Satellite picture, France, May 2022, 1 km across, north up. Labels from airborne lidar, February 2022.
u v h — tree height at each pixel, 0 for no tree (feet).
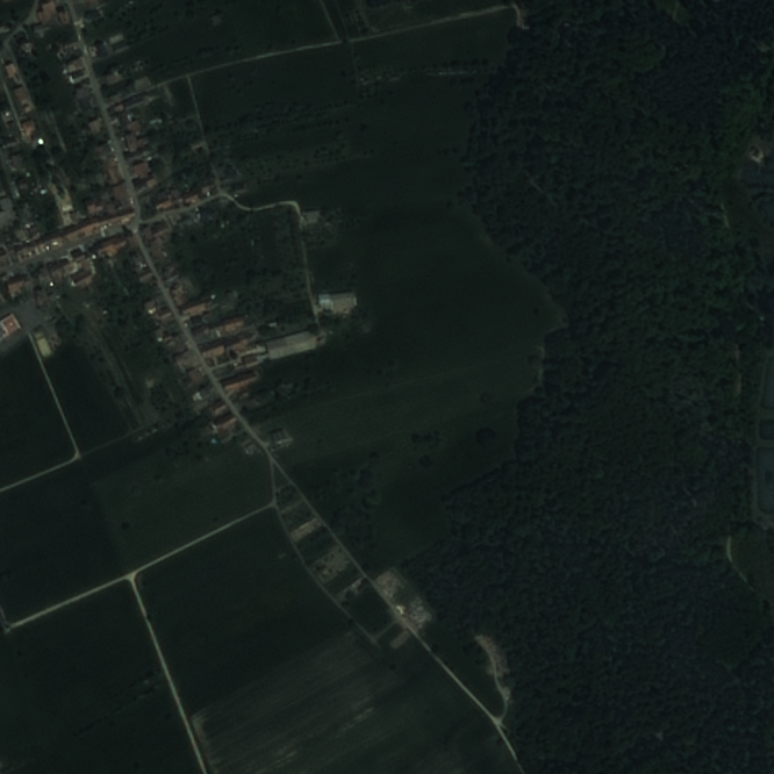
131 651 0
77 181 0
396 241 0
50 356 0
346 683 0
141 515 0
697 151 103
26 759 0
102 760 0
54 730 0
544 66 97
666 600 90
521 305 0
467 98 0
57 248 0
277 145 0
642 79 110
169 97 0
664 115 103
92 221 0
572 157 84
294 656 0
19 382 0
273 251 0
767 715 96
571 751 45
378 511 0
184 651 0
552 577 99
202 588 0
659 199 89
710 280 92
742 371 0
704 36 135
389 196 0
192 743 0
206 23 0
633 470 46
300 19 0
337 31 0
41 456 0
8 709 0
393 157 0
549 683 96
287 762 0
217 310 0
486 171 101
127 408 0
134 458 0
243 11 0
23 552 0
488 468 0
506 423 0
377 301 0
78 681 0
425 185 0
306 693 0
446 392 0
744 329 56
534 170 98
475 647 24
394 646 0
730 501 49
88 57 0
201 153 33
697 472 57
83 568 0
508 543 81
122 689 0
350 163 0
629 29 113
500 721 0
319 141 0
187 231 0
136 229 0
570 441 90
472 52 0
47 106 24
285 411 0
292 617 0
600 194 97
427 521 0
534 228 55
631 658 103
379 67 0
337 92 0
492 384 0
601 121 109
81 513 0
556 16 98
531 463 86
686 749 94
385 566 0
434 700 0
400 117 0
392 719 0
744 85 106
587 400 85
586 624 95
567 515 85
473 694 0
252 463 0
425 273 0
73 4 0
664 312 95
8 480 0
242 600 0
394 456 0
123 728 0
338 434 0
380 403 0
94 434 0
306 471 0
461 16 0
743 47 81
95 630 0
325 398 0
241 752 0
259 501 0
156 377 0
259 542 0
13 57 0
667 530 91
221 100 0
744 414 39
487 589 73
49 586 0
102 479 0
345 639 0
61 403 0
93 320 0
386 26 0
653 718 90
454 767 0
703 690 90
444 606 44
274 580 0
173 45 0
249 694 0
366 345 0
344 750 0
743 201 0
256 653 0
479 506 61
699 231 98
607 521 85
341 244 0
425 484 0
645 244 86
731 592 55
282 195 0
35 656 0
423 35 0
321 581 0
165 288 0
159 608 0
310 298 0
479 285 0
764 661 108
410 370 0
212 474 0
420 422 0
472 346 0
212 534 0
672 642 96
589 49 97
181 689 0
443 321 0
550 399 49
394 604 0
